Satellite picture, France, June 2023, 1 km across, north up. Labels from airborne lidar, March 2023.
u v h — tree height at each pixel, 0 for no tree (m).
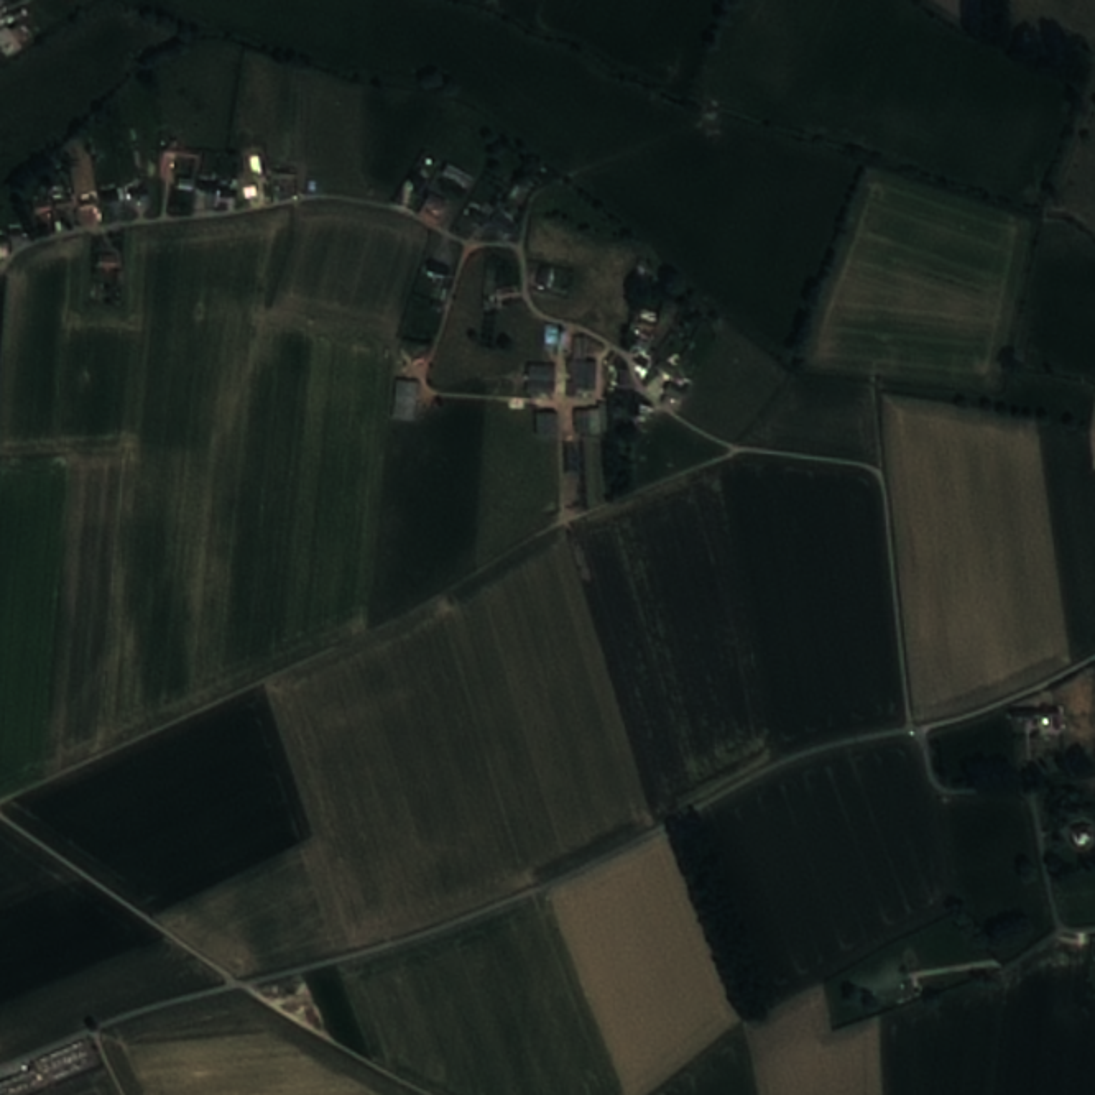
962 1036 0
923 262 0
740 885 0
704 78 0
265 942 0
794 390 0
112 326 0
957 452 0
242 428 0
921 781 0
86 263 0
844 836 0
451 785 0
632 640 0
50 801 0
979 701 0
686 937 0
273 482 0
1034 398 0
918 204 0
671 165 0
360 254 0
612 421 6
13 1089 0
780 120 0
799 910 0
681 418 0
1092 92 0
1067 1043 0
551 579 0
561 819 0
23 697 0
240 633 0
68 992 0
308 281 0
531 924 0
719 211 0
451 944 0
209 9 0
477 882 0
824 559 0
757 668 0
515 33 0
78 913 0
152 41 0
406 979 0
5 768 0
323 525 0
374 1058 0
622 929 0
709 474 0
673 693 0
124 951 0
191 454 0
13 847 0
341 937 0
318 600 0
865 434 0
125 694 0
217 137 0
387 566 0
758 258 0
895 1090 0
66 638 0
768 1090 0
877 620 0
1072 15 0
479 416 0
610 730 0
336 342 0
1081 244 0
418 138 0
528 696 0
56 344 0
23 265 0
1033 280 0
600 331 0
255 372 0
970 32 24
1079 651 0
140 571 0
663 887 0
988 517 0
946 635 0
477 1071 0
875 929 0
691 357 0
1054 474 0
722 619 0
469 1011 0
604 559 0
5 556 0
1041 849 0
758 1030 0
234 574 0
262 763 0
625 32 0
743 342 0
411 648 0
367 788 0
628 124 0
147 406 0
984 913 0
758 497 0
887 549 0
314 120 0
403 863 0
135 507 0
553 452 0
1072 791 12
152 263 0
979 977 13
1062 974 0
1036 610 0
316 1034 0
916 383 0
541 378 0
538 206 0
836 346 0
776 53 0
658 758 0
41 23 0
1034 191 0
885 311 0
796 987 0
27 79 0
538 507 0
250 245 0
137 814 0
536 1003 0
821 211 0
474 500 0
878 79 0
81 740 0
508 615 0
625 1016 0
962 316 0
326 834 0
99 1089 0
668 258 0
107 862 0
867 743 0
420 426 0
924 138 0
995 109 0
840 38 0
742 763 0
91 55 0
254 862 0
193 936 0
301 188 0
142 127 0
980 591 0
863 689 0
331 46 0
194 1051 0
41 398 0
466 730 0
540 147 0
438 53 0
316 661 0
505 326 0
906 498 0
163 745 0
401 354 0
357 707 0
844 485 0
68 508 0
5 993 0
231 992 0
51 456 0
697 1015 0
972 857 0
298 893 0
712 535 0
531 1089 0
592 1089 0
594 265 0
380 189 0
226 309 0
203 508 0
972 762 0
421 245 0
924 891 0
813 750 0
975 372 0
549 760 0
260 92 0
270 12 0
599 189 0
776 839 0
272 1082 0
